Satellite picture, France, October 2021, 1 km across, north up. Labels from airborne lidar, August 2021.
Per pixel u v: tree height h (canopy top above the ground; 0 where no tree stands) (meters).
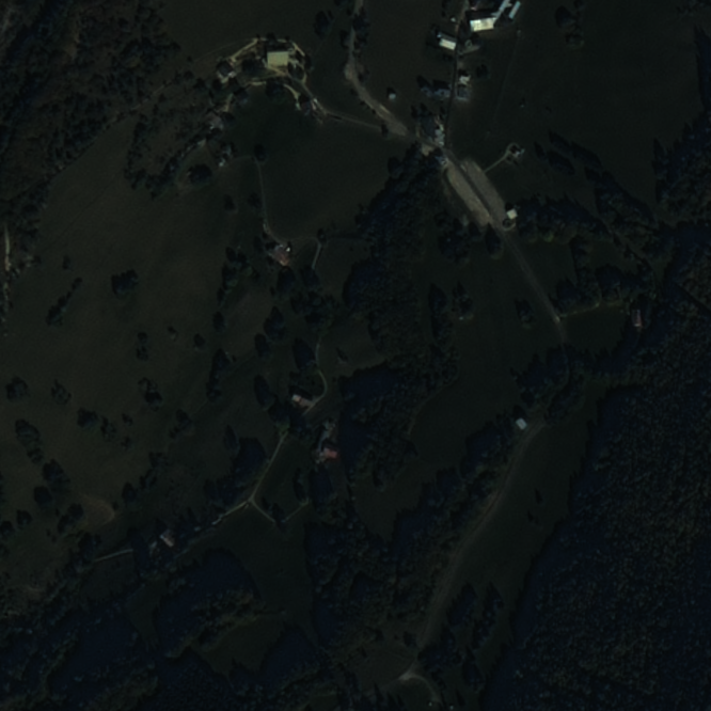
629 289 18
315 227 0
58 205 0
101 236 0
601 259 0
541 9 0
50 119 18
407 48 0
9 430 0
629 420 27
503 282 0
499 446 13
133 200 0
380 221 18
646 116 0
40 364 0
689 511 29
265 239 7
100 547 9
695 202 10
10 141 18
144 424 0
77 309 0
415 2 0
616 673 30
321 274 0
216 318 0
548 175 0
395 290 21
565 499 0
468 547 0
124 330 0
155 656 0
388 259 22
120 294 17
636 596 31
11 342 0
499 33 0
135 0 11
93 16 10
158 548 0
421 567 18
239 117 0
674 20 0
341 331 0
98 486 0
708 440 28
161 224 0
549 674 27
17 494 0
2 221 13
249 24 0
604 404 0
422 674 0
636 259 8
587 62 0
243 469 10
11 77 12
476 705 0
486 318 0
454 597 0
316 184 0
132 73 16
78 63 10
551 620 25
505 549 0
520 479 0
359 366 0
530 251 0
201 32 0
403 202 29
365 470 16
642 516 25
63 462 0
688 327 21
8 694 15
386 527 0
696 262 29
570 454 0
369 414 18
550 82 0
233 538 0
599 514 22
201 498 0
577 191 0
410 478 0
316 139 0
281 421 22
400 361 27
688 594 23
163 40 15
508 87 0
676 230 0
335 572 20
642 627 29
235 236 0
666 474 28
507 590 0
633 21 0
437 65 0
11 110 12
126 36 11
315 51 0
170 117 10
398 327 22
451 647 14
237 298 0
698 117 0
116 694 22
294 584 0
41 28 12
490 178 0
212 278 0
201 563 0
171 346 0
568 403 16
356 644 12
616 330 0
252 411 0
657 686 26
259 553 0
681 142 0
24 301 0
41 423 0
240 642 0
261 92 0
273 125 0
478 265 0
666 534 27
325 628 0
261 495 0
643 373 24
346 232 0
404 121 0
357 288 23
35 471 0
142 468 0
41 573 0
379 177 0
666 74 0
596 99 0
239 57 0
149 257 0
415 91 0
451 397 0
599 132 0
